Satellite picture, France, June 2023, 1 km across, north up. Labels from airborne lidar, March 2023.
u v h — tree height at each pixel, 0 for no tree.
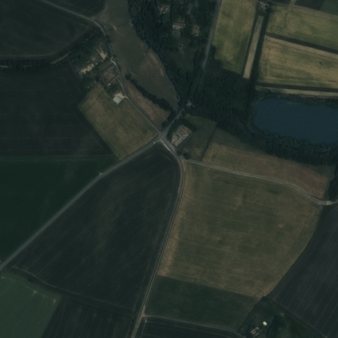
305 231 0
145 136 0
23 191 0
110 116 0
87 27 0
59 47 0
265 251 0
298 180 0
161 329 0
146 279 0
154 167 0
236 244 0
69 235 0
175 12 23
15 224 0
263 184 0
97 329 0
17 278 0
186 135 0
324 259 0
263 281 0
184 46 0
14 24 0
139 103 0
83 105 0
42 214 0
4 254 0
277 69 0
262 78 0
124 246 0
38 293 0
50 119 0
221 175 0
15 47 0
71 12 0
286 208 0
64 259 0
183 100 17
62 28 0
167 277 0
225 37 0
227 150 0
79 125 0
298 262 0
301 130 0
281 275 0
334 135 0
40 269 0
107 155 0
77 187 0
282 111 0
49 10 0
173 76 14
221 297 0
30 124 0
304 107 0
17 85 0
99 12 0
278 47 0
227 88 11
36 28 0
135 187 0
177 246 0
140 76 0
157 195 0
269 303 0
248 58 0
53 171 0
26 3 0
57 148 0
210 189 0
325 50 0
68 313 0
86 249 0
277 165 0
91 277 0
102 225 0
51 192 0
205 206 0
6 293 0
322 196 0
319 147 11
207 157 0
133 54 0
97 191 0
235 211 0
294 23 0
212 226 0
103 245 0
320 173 0
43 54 0
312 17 0
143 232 0
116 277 0
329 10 0
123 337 0
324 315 0
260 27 0
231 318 0
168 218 0
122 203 0
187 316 0
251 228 0
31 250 0
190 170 0
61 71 0
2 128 0
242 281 0
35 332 0
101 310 0
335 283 0
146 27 28
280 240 0
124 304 0
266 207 0
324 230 0
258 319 0
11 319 0
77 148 0
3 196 0
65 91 0
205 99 18
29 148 0
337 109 0
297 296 0
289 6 0
